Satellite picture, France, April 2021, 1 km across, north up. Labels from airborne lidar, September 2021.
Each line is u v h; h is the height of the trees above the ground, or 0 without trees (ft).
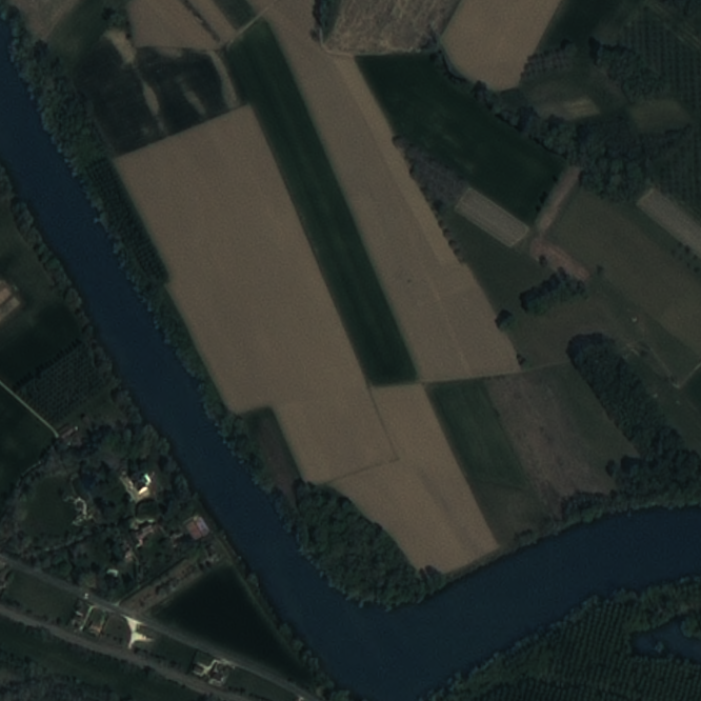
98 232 0
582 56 0
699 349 0
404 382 0
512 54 0
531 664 100
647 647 0
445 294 0
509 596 0
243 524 0
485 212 0
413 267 0
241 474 0
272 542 0
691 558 0
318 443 0
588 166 89
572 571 0
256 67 0
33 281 0
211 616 0
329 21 60
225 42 0
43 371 48
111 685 0
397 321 0
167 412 0
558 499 0
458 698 65
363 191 0
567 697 91
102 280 0
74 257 0
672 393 0
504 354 0
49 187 0
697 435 0
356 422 0
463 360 0
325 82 0
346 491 0
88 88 0
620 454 0
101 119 0
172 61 0
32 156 0
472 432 0
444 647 0
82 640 0
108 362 43
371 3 0
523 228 0
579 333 0
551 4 0
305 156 0
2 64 0
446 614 0
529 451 0
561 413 0
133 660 0
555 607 0
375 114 0
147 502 29
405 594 88
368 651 0
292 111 0
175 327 86
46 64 113
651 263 0
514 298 0
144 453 120
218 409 52
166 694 0
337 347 0
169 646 0
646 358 37
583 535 0
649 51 40
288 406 0
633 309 0
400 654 0
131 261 84
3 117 0
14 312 0
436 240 0
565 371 0
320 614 0
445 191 57
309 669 67
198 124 0
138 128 0
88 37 0
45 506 0
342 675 0
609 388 112
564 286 82
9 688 20
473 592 0
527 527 0
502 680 59
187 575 22
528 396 0
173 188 0
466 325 0
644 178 73
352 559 74
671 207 0
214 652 0
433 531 0
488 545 0
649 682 88
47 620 41
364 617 0
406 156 24
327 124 0
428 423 0
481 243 0
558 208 0
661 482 121
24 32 51
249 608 0
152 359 0
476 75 0
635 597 45
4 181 96
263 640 0
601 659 93
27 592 0
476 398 0
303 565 0
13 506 88
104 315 0
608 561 0
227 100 0
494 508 0
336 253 0
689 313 0
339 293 0
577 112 0
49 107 65
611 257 0
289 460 0
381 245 0
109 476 100
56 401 61
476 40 0
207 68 0
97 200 56
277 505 93
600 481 0
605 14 0
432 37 0
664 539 0
